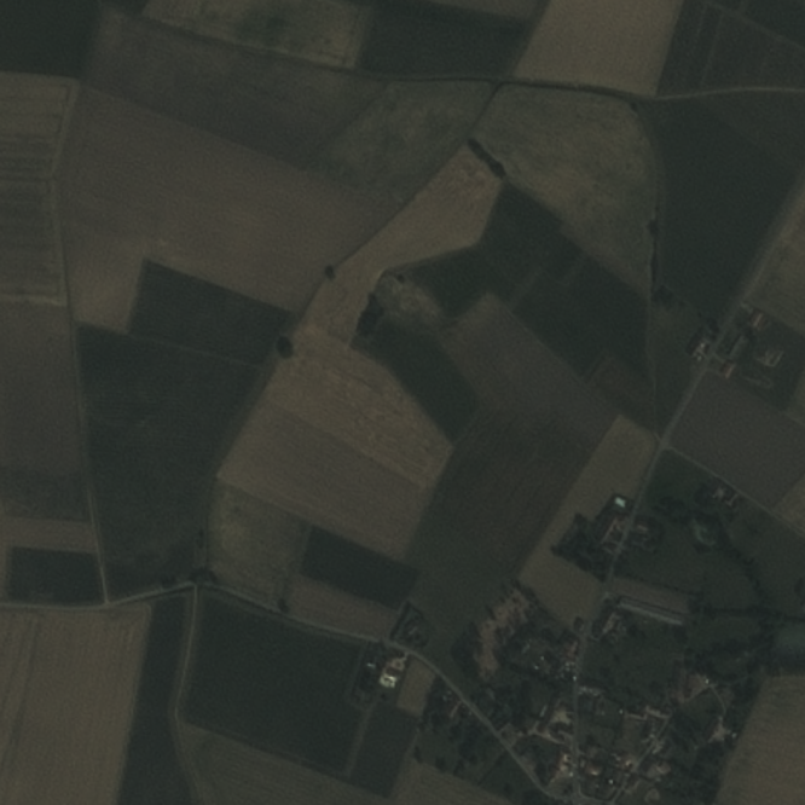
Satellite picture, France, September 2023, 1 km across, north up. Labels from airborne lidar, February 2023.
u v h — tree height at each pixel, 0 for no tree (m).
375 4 0
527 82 0
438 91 0
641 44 0
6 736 0
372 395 0
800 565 0
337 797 0
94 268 0
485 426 0
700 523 9
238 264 0
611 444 0
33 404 0
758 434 0
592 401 0
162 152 0
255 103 0
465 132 0
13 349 0
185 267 0
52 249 0
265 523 0
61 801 0
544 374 0
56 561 0
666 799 0
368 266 0
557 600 0
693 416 0
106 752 0
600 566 6
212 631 0
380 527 0
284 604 13
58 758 0
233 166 0
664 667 0
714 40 0
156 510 0
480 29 0
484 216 0
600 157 0
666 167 0
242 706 0
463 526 0
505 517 0
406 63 0
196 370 0
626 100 0
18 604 0
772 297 0
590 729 0
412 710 0
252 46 0
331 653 0
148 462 0
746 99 0
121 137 0
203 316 0
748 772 0
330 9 0
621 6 0
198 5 0
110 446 0
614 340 0
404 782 0
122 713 0
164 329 0
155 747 0
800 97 0
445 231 0
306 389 0
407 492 0
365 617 0
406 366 0
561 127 0
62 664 0
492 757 0
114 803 0
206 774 0
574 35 0
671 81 0
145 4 0
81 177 0
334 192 0
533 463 0
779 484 0
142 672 0
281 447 0
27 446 0
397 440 0
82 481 0
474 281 0
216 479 0
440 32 0
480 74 0
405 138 0
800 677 0
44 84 0
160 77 0
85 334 0
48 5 0
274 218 0
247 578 0
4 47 0
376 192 0
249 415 0
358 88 0
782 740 0
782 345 0
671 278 0
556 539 0
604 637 8
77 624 0
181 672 0
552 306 0
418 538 0
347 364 0
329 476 0
